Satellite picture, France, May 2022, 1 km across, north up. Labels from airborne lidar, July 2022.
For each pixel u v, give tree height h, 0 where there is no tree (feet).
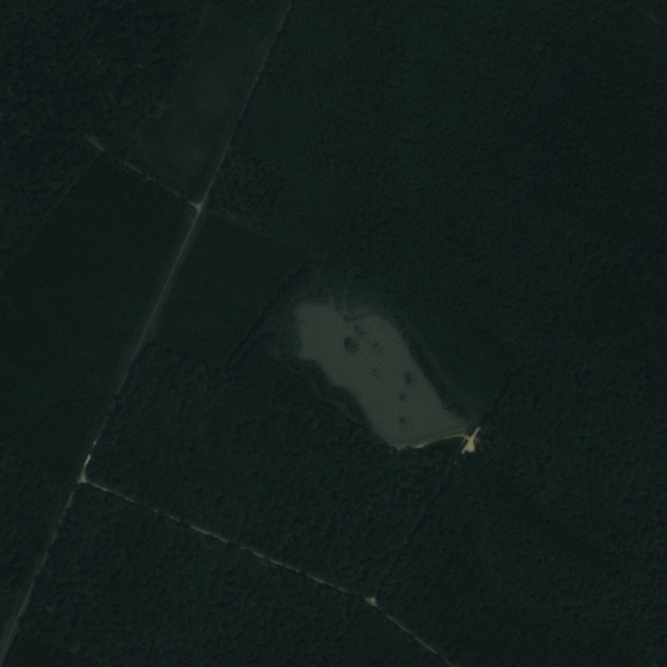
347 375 0
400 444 0
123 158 81
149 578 83
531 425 84
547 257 58
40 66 97
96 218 31
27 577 67
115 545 91
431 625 56
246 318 17
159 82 65
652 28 44
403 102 61
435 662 74
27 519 83
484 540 80
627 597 63
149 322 0
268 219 61
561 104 65
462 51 44
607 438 75
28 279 36
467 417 47
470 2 49
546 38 60
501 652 67
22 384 28
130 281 26
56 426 39
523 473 73
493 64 57
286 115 60
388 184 63
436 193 58
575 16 61
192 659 76
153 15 29
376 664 95
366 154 67
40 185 93
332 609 71
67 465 36
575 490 84
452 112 55
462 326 49
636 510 89
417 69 59
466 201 64
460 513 81
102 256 28
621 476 79
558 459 89
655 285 101
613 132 69
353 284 30
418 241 63
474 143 59
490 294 58
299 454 73
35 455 35
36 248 31
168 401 81
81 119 87
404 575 63
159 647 82
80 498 83
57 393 36
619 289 87
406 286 46
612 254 65
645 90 60
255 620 79
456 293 58
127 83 75
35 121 87
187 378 88
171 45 77
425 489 89
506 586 78
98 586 81
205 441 79
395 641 91
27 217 79
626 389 77
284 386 58
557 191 64
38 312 32
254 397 72
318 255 42
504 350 52
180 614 84
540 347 66
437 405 0
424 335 35
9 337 35
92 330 24
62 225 29
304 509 93
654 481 91
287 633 74
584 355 82
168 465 80
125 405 51
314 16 58
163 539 74
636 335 89
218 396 73
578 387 80
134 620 71
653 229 63
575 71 54
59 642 61
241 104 0
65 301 24
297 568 83
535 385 91
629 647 38
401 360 0
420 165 51
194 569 84
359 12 64
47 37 82
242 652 87
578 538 79
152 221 30
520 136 57
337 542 86
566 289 63
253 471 79
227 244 18
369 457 95
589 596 67
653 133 62
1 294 52
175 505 84
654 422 73
